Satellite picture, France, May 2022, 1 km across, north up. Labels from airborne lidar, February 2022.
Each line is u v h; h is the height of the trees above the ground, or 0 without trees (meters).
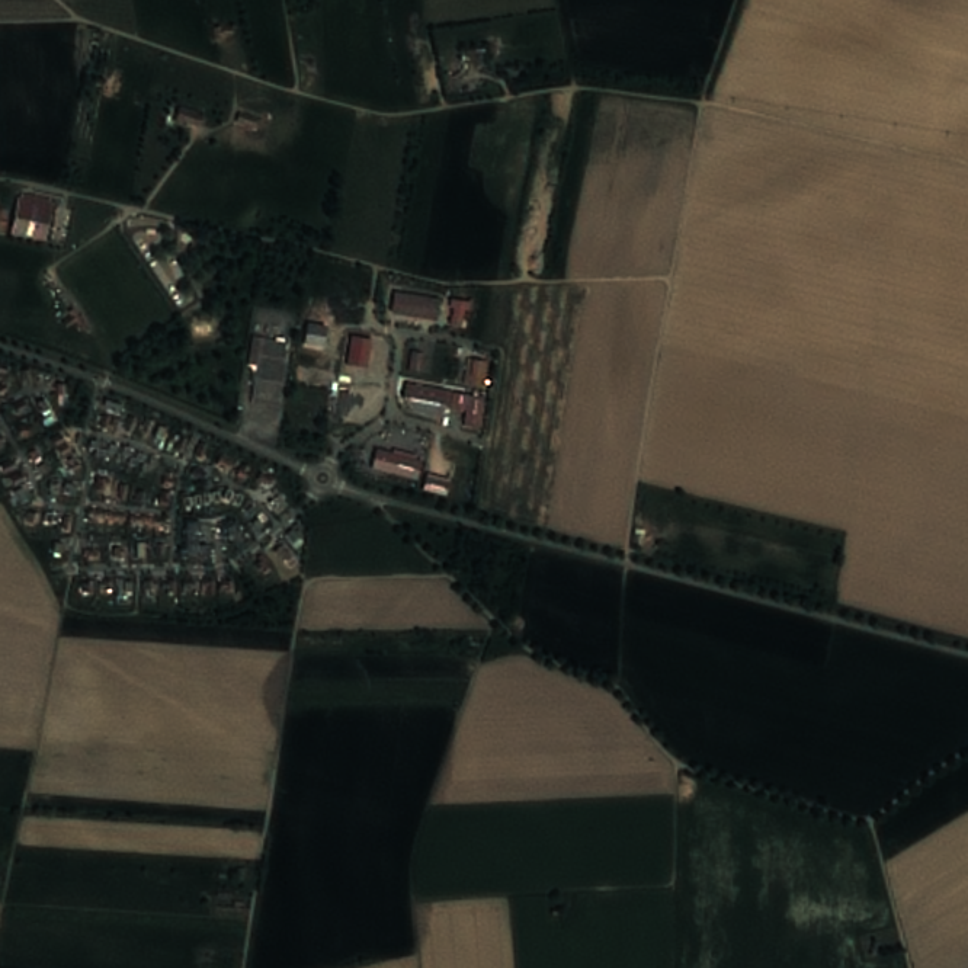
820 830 0
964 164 0
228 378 16
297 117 0
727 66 0
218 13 0
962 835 0
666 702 0
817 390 0
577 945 0
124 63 0
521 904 0
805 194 0
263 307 0
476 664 0
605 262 0
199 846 0
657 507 0
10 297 0
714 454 0
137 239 0
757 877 0
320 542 0
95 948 0
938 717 0
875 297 0
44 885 0
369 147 0
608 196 0
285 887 0
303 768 0
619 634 0
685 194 0
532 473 0
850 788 0
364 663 0
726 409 0
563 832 0
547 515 0
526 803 0
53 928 0
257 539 0
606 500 0
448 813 0
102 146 0
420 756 0
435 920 0
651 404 0
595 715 0
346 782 0
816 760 0
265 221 0
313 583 0
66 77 0
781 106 0
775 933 0
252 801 0
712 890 0
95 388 0
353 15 0
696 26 0
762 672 0
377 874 0
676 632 0
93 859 0
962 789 0
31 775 0
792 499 0
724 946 0
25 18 0
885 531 0
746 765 0
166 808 0
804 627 0
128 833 0
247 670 0
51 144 0
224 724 0
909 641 0
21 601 0
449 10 0
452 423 0
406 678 0
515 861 0
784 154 0
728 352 0
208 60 0
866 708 0
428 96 0
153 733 0
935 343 0
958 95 0
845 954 0
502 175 0
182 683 0
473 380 0
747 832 0
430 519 0
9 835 0
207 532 0
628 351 0
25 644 0
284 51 0
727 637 0
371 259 0
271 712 0
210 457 0
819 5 0
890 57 0
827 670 0
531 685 0
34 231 0
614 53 0
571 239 0
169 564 0
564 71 0
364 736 0
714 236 0
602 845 0
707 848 0
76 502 0
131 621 0
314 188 0
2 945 0
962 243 0
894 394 0
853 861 0
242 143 0
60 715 0
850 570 0
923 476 0
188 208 0
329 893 0
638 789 0
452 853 0
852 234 0
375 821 0
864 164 0
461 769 0
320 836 0
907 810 0
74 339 0
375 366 0
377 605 0
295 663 0
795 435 0
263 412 0
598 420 0
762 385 0
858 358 0
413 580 0
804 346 0
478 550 9
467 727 0
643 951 0
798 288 0
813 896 0
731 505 0
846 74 0
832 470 0
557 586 0
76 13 0
